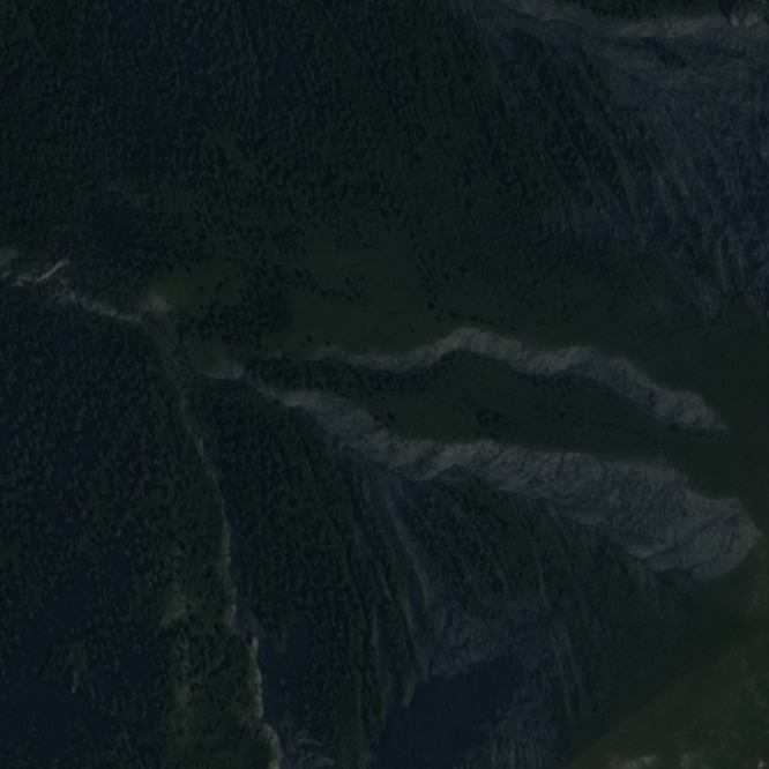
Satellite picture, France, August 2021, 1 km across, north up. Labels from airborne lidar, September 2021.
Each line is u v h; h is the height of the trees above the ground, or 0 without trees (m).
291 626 0
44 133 19
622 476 0
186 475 14
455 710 0
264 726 0
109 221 8
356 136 9
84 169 7
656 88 0
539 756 0
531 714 0
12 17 11
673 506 0
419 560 0
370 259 0
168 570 7
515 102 0
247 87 25
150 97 7
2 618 8
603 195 0
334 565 14
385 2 22
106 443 14
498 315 0
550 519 0
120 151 13
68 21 17
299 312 0
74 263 11
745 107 0
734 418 0
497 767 0
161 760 9
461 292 0
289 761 0
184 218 8
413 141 6
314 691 11
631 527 0
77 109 8
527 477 0
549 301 0
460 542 9
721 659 0
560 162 11
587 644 0
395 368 0
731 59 0
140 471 10
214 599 9
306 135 17
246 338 10
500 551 11
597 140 10
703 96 0
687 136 0
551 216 0
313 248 0
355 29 16
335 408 0
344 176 7
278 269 7
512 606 0
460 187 10
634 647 0
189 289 0
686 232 0
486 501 0
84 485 13
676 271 0
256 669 0
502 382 0
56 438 11
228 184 15
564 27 0
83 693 0
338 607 8
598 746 0
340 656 7
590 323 0
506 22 0
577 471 0
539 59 8
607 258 6
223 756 0
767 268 0
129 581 7
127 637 18
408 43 15
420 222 9
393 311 0
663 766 0
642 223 0
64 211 13
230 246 8
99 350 21
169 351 0
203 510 8
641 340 0
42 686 6
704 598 0
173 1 29
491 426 13
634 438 0
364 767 0
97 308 0
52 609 6
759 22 0
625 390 0
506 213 6
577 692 0
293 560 11
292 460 13
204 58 8
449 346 0
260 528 17
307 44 16
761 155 0
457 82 7
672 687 0
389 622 7
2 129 15
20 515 12
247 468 11
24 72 16
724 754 0
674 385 0
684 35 0
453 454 0
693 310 0
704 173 0
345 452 0
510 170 12
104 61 10
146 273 11
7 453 25
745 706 0
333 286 0
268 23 16
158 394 11
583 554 0
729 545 0
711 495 0
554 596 0
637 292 0
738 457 0
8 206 19
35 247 13
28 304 17
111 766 0
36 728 6
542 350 0
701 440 0
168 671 7
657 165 0
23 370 8
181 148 9
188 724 0
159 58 14
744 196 0
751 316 0
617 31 0
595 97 5
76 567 7
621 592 0
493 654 0
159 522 10
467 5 0
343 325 0
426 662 0
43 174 5
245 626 0
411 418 0
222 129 16
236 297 0
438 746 0
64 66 10
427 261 6
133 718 0
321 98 9
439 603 0
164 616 0
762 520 0
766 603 0
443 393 0
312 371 7
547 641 0
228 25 11
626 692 0
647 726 0
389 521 0
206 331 23
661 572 0
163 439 11
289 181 12
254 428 10
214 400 6
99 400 13
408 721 0
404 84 17
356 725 0
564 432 0
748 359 0
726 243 0
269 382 13
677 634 0
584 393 0
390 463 0
